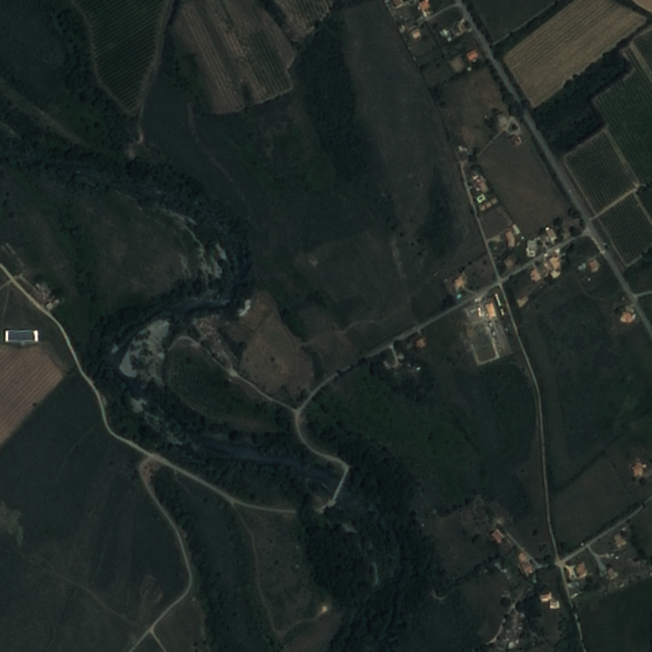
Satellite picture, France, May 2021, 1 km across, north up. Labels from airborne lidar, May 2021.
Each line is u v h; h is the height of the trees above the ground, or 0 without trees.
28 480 0
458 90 0
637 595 0
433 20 0
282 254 0
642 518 0
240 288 22
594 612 0
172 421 17
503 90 9
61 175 10
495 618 0
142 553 0
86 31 7
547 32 0
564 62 0
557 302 0
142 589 0
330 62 8
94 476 0
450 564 0
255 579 0
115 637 0
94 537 0
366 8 0
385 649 14
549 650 0
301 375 0
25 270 0
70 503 0
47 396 0
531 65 0
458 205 0
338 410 6
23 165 11
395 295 0
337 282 0
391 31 0
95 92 9
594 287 0
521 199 0
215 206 7
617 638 0
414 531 6
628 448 0
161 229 0
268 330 0
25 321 0
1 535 0
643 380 0
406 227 0
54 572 0
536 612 7
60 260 0
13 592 0
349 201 0
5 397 0
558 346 0
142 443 17
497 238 0
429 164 0
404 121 0
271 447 17
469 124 0
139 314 20
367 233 0
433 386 6
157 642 0
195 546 7
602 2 0
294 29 0
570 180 0
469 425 0
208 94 0
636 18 0
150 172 17
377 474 26
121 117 11
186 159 0
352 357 0
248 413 0
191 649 0
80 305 0
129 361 0
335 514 22
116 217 0
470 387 0
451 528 0
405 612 15
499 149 0
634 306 0
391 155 0
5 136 8
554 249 0
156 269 0
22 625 0
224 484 14
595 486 0
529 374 0
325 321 0
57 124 0
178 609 0
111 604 0
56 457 0
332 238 0
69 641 0
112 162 15
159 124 0
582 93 7
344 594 19
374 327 0
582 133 7
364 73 0
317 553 17
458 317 0
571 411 0
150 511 0
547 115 8
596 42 0
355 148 11
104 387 7
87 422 0
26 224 0
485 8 0
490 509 6
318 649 0
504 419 0
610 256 0
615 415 0
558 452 0
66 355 0
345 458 12
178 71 14
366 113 0
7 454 0
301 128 0
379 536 12
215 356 8
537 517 0
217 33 0
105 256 0
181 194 8
